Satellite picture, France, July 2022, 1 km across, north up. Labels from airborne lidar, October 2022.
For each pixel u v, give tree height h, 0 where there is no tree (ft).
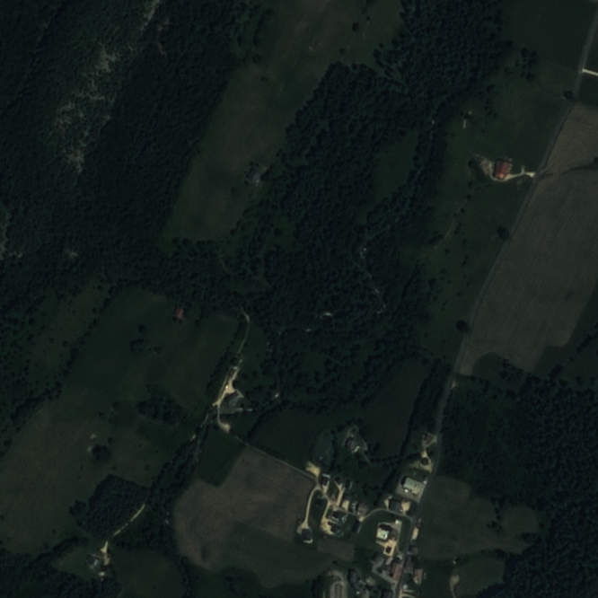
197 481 0
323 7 0
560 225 0
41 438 0
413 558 29
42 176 76
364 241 58
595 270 0
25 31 72
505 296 0
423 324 36
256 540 0
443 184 0
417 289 42
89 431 0
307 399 0
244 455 0
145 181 65
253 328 0
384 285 53
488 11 53
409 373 0
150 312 0
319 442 0
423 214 31
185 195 0
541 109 0
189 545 0
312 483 0
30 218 57
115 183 64
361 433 33
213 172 0
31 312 67
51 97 44
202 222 0
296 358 46
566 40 0
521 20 0
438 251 0
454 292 0
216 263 85
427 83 46
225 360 36
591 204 0
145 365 0
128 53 53
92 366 0
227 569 0
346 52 43
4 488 0
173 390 0
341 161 63
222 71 58
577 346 0
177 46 92
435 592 0
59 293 38
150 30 61
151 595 0
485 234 0
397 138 38
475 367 0
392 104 98
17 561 67
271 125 0
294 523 0
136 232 70
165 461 0
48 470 0
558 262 0
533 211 0
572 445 74
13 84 75
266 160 0
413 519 0
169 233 0
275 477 0
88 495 0
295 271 90
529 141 0
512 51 48
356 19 0
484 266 0
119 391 0
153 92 67
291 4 0
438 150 56
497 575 0
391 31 0
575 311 0
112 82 26
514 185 0
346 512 0
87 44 30
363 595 0
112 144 73
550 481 82
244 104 0
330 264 66
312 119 61
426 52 20
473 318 0
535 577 120
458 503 0
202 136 33
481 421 28
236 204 0
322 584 34
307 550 0
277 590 0
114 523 106
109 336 0
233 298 71
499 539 0
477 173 0
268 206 40
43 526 0
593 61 0
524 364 0
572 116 0
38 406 80
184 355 0
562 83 0
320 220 66
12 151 83
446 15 48
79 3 71
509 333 0
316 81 0
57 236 56
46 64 86
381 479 0
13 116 75
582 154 0
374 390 54
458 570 0
